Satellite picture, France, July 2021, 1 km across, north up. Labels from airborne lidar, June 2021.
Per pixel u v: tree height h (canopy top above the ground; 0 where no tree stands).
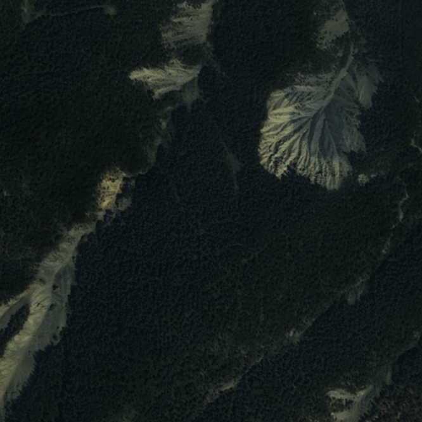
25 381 0
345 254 9
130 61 13
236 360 6
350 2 7
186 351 9
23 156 8
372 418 11
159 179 12
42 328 0
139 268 15
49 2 13
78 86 9
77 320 13
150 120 15
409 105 15
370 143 9
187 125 18
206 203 13
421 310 18
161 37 11
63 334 13
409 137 9
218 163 10
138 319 19
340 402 7
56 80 7
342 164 0
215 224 9
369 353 15
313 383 11
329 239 18
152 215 14
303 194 15
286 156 0
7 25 12
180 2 7
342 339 15
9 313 0
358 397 0
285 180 17
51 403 24
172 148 7
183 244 11
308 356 11
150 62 10
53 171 9
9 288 16
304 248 13
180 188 17
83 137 16
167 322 17
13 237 7
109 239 9
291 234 15
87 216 10
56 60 13
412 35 14
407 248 11
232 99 16
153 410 9
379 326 7
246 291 8
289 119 0
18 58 11
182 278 11
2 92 8
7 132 11
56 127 13
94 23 17
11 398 0
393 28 13
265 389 16
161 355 18
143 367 14
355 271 15
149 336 20
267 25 7
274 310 18
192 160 18
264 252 13
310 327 7
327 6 10
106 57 16
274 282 18
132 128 6
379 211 14
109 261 10
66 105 8
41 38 11
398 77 17
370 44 12
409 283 13
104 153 20
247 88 8
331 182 0
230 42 21
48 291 0
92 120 14
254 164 10
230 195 13
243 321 9
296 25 12
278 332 7
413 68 18
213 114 12
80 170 16
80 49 17
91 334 25
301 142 0
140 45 15
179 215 13
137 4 13
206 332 13
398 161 9
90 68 8
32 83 13
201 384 8
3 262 10
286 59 14
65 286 0
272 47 14
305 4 9
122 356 25
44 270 0
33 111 17
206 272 14
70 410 20
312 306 9
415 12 18
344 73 0
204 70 10
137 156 12
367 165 9
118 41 10
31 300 0
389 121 11
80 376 24
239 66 19
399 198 13
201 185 13
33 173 10
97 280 17
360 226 11
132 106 11
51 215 8
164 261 13
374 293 16
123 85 10
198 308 12
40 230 7
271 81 9
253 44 10
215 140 12
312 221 8
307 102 0
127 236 10
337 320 16
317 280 15
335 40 7
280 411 17
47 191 11
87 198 9
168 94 7
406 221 11
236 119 19
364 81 0
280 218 9
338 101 0
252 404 13
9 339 10
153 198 15
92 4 16
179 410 13
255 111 15
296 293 10
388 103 12
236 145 13
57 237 14
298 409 11
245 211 14
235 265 17
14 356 0
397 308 19
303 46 9
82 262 10
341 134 0
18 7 12
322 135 0
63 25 17
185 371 23
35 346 0
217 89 14
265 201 16
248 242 14
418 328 13
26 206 14
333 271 17
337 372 14
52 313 0
